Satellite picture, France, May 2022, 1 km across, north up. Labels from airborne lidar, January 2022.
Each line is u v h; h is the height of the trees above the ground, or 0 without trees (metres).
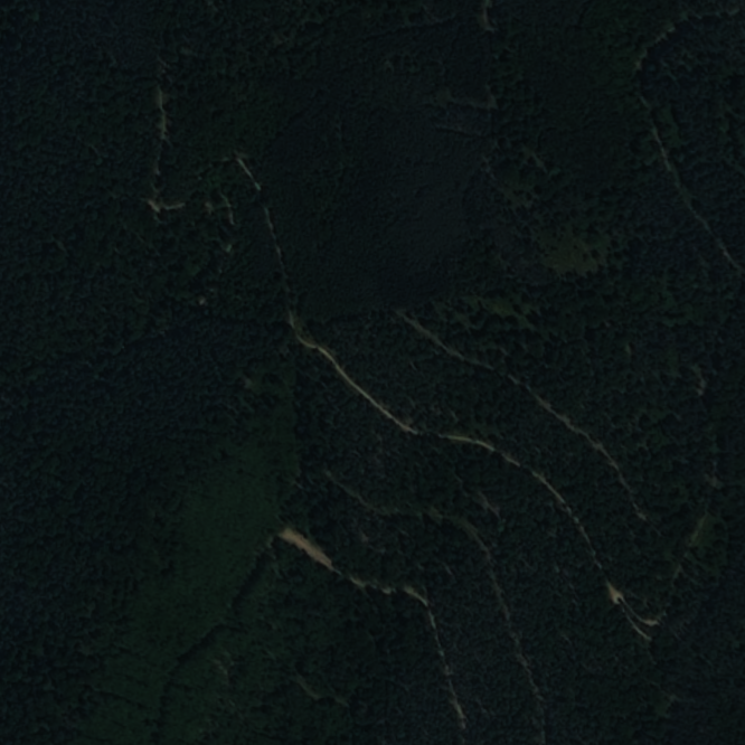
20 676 26
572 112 19
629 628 18
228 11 19
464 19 15
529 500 21
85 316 25
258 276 12
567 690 20
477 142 13
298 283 15
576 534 25
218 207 10
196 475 27
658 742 17
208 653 26
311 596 30
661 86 30
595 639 21
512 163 18
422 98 12
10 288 28
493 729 22
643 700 20
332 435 27
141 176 26
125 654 25
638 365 17
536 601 23
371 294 14
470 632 22
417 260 10
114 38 18
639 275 25
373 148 17
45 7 31
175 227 25
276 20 18
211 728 26
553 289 22
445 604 21
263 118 8
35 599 24
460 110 21
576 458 21
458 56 16
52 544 28
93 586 20
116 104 26
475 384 22
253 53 16
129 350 30
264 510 29
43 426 32
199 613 25
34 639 24
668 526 14
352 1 16
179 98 7
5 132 29
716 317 26
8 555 24
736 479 10
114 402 30
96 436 30
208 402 25
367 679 32
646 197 29
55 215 30
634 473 20
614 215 22
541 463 6
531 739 21
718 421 26
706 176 30
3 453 31
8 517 23
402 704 26
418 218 13
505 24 23
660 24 21
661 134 10
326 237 12
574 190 24
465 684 23
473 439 11
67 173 28
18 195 29
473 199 15
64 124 23
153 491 26
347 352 22
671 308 28
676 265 28
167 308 36
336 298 16
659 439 17
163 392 34
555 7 22
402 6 18
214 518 26
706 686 19
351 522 27
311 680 18
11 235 26
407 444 23
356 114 15
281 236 13
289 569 27
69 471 28
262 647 24
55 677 21
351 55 15
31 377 29
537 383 22
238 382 23
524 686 22
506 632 11
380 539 26
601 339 23
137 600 17
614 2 16
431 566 28
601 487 21
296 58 19
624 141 20
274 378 24
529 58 20
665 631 15
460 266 12
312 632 29
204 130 15
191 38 31
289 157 17
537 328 23
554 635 24
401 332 19
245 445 27
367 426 24
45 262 27
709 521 0
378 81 13
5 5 38
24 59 10
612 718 22
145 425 29
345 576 23
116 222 24
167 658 28
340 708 17
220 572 30
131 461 25
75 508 27
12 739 20
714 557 14
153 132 25
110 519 23
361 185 19
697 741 25
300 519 27
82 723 24
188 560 21
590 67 22
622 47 19
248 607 25
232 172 19
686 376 28
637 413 19
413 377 20
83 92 22
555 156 17
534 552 21
